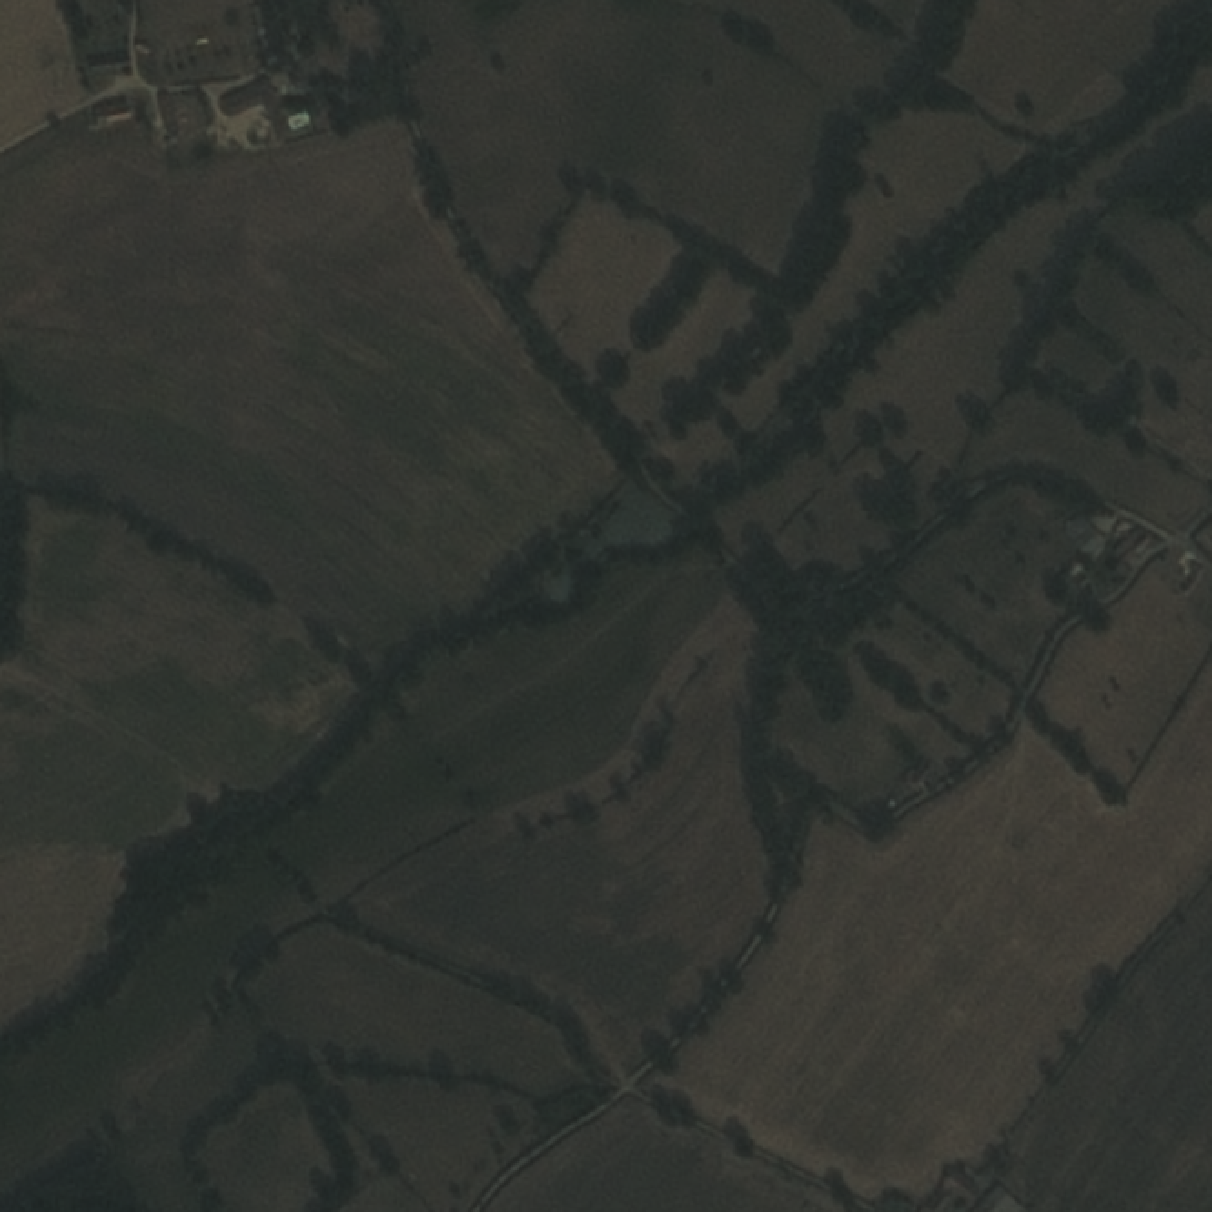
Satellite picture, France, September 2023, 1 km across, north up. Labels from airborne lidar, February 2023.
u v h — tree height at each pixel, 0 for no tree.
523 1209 0
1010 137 7
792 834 19
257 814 15
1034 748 0
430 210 14
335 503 0
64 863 0
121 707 0
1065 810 0
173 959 0
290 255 0
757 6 0
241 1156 0
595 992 0
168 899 19
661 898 0
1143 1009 0
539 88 0
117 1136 14
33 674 0
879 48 0
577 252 0
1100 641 0
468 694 0
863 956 0
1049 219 0
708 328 0
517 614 8
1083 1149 0
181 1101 0
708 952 0
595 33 0
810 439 26
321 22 19
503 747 0
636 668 0
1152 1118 0
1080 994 0
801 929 0
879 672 20
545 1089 0
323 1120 16
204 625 0
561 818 0
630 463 21
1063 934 0
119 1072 0
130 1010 0
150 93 0
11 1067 0
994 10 0
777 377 0
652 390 0
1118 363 0
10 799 0
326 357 0
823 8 0
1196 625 0
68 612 0
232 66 0
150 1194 0
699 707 0
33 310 0
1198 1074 0
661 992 0
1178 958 0
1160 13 0
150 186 0
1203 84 0
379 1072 18
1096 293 0
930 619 7
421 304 0
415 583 0
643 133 0
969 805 0
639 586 0
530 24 0
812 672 6
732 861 0
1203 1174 0
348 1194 12
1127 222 0
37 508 0
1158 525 0
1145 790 0
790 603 23
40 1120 0
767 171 0
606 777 0
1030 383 11
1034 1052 0
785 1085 0
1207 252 11
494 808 0
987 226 30
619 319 0
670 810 0
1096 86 0
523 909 0
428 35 0
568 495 0
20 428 0
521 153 0
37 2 0
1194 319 0
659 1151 0
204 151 0
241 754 0
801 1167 0
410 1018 0
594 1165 0
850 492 0
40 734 0
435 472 0
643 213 13
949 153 0
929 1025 0
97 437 0
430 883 0
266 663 0
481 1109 0
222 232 0
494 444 0
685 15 0
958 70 0
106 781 0
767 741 15
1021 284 11
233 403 0
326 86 11
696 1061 0
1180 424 0
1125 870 0
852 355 6
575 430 0
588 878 0
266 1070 19
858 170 21
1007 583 0
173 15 0
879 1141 0
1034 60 0
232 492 0
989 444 0
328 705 0
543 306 0
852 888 0
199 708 0
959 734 6
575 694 0
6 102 0
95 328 0
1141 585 0
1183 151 23
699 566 0
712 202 0
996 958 0
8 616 20
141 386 0
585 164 0
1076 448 0
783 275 10
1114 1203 0
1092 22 0
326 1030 0
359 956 0
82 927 0
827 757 0
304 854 0
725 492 15
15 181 0
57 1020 20
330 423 0
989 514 0
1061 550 0
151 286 0
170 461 0
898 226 0
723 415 7
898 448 0
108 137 0
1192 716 0
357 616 0
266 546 0
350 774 0
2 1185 0
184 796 0
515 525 0
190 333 0
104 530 0
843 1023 0
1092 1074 0
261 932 0
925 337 0
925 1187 0
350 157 0
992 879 0
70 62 0
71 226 0
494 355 0
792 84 0
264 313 0
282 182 0
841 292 0
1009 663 0
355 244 0
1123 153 0
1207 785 0
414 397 0
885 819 18
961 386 0
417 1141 0
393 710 20
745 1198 0
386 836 0
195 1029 0
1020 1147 0
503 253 0
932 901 0
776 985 0
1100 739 0
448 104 0
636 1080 0
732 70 0
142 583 0
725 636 0
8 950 0
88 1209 21
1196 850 0
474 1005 0
